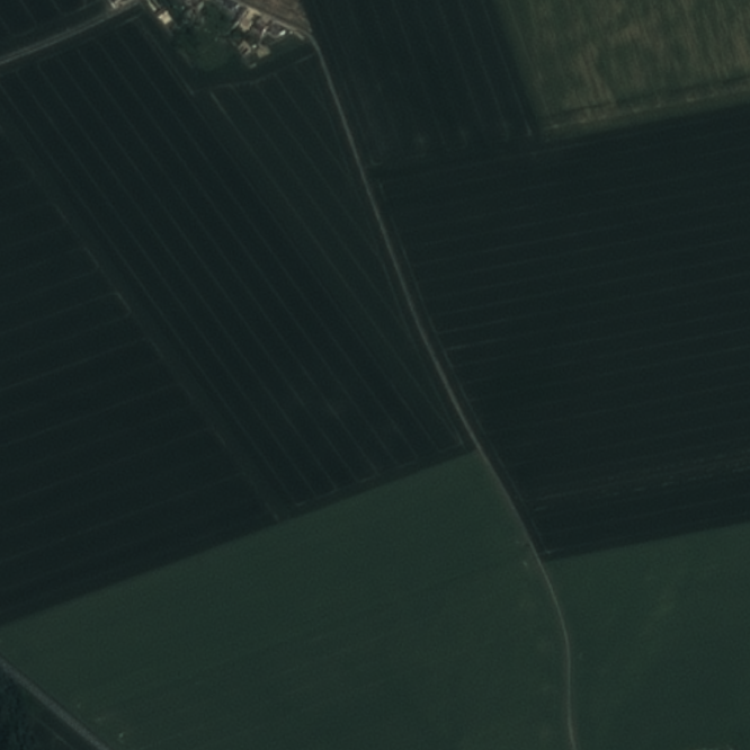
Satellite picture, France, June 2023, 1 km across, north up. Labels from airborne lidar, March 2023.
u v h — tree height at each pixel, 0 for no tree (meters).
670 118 0
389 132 0
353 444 0
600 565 0
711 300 0
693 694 0
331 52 0
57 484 0
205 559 0
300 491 0
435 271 0
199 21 6
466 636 0
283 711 0
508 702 0
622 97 0
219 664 0
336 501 0
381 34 0
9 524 0
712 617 0
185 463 0
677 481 0
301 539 0
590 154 0
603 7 0
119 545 0
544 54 0
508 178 0
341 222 0
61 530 0
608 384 0
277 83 0
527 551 0
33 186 0
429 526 0
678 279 0
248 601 0
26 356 0
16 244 0
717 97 0
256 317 0
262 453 0
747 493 0
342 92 0
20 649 0
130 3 0
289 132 0
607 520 0
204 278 0
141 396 0
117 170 0
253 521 0
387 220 0
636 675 0
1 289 0
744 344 0
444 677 0
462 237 0
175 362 0
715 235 0
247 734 0
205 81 0
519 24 0
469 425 0
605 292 0
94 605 0
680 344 0
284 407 0
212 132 0
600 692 0
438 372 0
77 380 0
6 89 0
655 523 0
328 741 0
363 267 0
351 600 0
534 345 0
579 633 0
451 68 0
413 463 0
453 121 0
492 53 0
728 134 0
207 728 0
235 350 0
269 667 0
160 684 0
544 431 0
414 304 0
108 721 0
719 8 0
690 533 0
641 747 0
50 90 0
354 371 0
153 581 0
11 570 0
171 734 0
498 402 0
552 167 0
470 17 0
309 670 0
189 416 0
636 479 0
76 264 0
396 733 0
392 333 0
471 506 0
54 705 0
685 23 0
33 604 0
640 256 0
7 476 0
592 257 0
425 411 0
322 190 0
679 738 0
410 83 0
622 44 0
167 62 0
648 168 0
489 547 0
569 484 0
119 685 0
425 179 0
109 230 0
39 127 0
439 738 0
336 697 0
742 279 0
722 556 0
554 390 0
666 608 0
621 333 0
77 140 0
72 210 0
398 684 0
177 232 0
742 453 0
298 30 0
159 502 0
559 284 0
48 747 0
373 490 0
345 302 0
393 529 0
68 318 0
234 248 0
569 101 0
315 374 0
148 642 0
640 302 0
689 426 0
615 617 0
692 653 0
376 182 0
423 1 0
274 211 0
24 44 0
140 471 0
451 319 0
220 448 0
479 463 0
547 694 0
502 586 0
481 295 0
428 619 0
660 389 0
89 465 0
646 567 0
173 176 0
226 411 0
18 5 0
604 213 0
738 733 0
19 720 17
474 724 0
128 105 0
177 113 0
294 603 0
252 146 0
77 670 0
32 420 0
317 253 0
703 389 0
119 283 0
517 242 0
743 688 0
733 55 0
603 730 0
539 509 0
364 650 0
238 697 0
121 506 0
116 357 0
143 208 0
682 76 0
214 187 0
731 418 0
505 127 0
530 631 0
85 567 0
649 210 0
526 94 0
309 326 0
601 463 0
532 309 0
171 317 0
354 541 0
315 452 0
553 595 0
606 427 0
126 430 0
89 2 0
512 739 0
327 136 0
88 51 0
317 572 0
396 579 0
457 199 0
